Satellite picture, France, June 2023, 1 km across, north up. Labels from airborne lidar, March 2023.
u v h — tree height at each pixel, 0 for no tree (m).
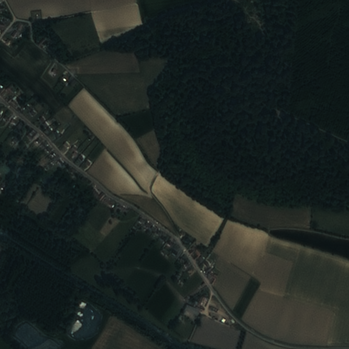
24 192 23
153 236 0
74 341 0
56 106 0
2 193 15
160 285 14
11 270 24
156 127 18
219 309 0
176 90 15
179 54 25
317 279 0
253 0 0
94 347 0
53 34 18
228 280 0
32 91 0
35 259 11
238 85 33
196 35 26
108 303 6
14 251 14
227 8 34
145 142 0
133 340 0
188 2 0
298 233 0
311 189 14
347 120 8
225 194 8
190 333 0
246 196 6
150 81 0
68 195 16
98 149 0
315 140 29
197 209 0
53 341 0
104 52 0
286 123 24
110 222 8
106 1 0
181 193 0
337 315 0
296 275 0
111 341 0
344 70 6
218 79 9
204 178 9
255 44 30
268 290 0
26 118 0
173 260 0
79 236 0
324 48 6
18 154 6
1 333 19
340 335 0
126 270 0
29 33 19
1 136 0
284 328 0
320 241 0
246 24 30
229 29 9
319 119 6
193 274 0
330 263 0
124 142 0
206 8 8
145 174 0
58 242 19
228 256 0
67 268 24
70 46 0
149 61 0
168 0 0
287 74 34
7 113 0
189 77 13
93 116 0
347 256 0
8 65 0
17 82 0
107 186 0
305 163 31
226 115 26
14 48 0
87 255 0
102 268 17
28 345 0
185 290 0
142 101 0
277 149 32
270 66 35
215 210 17
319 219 0
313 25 6
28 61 0
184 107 19
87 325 0
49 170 0
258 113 27
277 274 0
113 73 0
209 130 21
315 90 6
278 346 0
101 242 0
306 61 6
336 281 0
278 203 10
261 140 33
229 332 0
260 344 0
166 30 31
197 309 0
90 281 0
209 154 8
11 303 17
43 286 22
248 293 0
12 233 8
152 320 0
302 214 0
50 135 0
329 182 13
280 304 0
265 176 21
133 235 6
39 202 0
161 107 23
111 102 0
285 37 27
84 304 0
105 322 0
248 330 0
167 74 20
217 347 0
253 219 0
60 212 0
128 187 0
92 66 0
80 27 0
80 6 0
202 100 24
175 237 0
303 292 0
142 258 6
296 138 29
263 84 31
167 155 22
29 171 21
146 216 0
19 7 0
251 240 0
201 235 0
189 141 18
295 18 29
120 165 0
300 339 0
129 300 26
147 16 0
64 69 0
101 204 0
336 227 0
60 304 23
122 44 20
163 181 0
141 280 0
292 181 7
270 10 29
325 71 8
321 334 0
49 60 0
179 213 0
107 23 0
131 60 0
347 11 7
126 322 6
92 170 0
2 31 0
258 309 0
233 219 10
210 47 7
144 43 18
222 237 0
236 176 21
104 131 0
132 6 0
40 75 0
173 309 0
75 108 0
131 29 0
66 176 0
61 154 0
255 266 0
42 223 17
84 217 19
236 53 16
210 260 0
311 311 0
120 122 9
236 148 10
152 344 0
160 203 0
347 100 6
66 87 0
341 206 25
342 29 6
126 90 0
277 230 0
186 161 8
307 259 0
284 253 0
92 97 0
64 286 24
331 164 12
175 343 0
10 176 17
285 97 18
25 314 31
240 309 0
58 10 0
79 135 0
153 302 0
